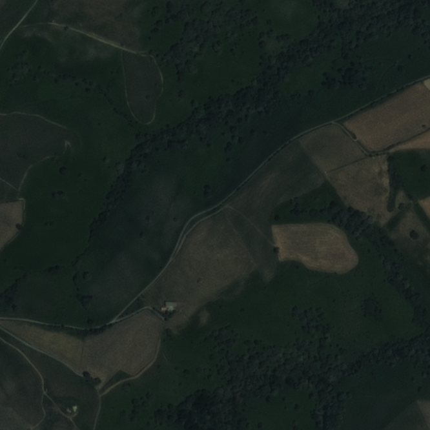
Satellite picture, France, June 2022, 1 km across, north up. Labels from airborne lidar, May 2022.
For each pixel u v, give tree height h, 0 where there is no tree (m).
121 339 0
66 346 0
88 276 12
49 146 0
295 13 0
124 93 0
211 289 0
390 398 0
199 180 0
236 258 0
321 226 0
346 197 0
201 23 14
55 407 0
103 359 0
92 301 9
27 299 0
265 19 0
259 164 0
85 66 0
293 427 6
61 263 0
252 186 0
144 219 0
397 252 9
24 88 0
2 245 0
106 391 0
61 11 0
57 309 0
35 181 0
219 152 0
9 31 0
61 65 0
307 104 0
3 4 0
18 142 0
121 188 11
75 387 0
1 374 0
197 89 0
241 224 0
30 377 0
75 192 0
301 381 13
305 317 12
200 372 12
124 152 0
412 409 0
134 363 0
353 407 0
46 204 0
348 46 12
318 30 10
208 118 9
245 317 0
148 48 0
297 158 0
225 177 0
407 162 0
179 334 0
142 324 0
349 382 0
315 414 14
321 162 0
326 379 21
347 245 0
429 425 0
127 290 0
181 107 0
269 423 0
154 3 0
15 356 0
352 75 15
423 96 0
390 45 0
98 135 0
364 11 13
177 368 8
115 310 0
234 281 0
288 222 0
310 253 0
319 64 0
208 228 0
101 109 0
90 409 0
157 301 0
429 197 0
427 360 16
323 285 0
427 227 0
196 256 0
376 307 8
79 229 0
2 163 0
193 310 0
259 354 12
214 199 0
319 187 0
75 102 0
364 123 0
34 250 0
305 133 0
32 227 0
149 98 7
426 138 0
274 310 0
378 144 0
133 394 0
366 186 0
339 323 0
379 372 0
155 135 11
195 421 18
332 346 10
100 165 0
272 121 0
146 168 10
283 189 0
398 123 0
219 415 15
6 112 0
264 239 0
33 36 0
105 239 0
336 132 0
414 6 14
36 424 0
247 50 0
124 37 0
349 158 0
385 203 0
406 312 0
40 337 0
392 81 0
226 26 12
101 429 0
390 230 0
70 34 0
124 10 0
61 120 0
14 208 0
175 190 0
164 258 0
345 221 17
